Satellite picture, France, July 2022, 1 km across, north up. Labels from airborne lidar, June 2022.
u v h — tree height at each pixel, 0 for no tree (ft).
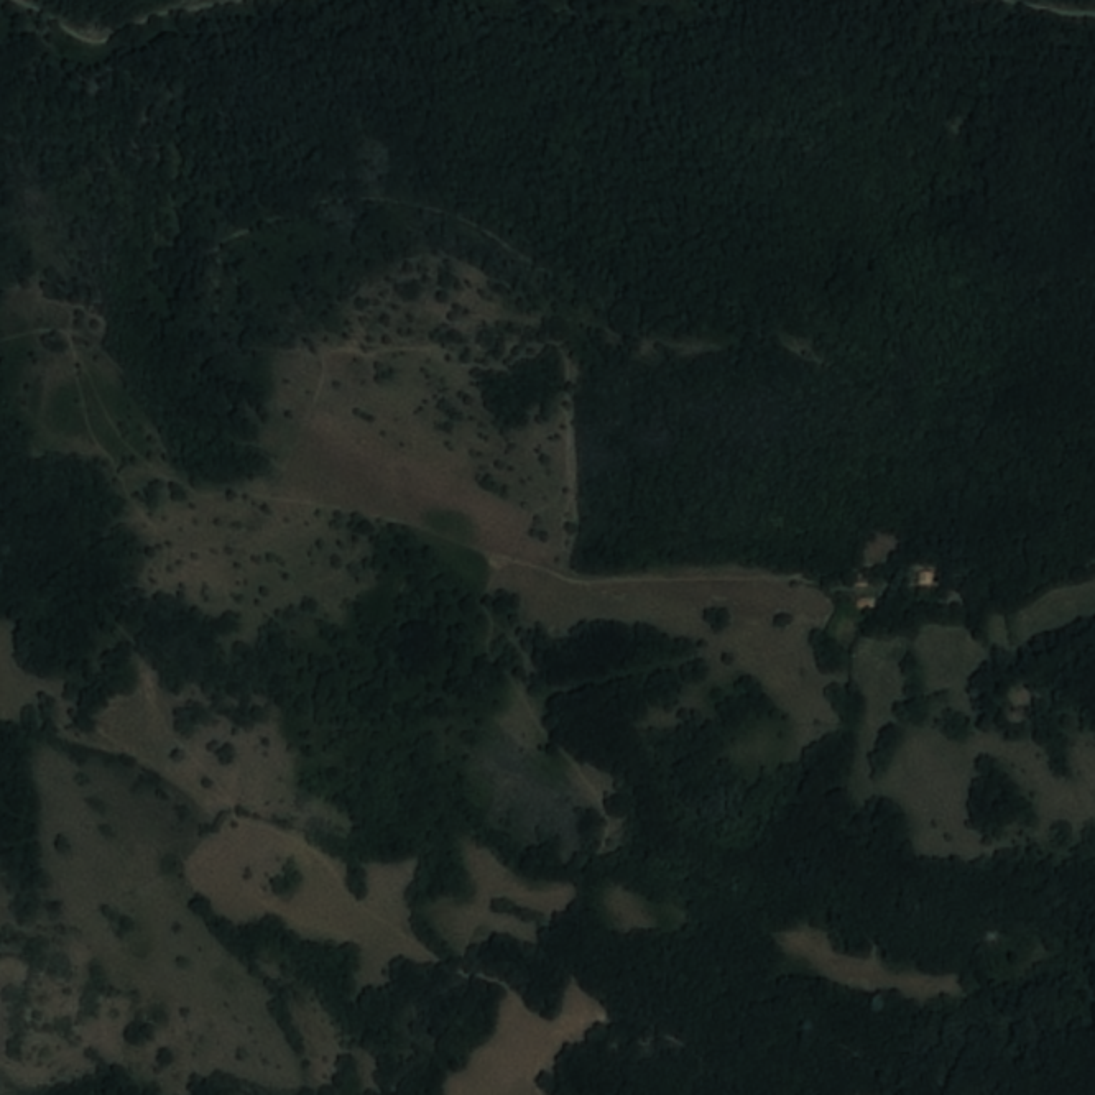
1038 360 32
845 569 49
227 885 0
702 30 46
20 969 0
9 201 29
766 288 35
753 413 24
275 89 39
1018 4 36
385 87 47
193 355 41
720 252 34
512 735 0
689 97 53
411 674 43
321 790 22
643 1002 31
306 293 24
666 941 29
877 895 62
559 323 22
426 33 63
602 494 27
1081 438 47
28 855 25
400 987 37
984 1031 35
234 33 34
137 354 33
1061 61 65
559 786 0
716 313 28
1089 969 34
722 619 45
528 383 33
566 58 47
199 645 31
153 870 0
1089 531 32
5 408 26
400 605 29
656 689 43
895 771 0
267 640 19
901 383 24
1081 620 49
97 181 26
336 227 30
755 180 32
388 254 23
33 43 77
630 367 22
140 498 33
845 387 20
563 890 0
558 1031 0
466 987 27
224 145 45
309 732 24
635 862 42
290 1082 0
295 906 0
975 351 25
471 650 28
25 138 26
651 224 46
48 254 0
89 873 0
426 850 27
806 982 51
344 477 0
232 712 20
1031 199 27
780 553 37
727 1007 50
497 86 37
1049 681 22
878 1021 43
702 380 30
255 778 0
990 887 46
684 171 43
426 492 0
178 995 0
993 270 46
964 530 62
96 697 41
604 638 68
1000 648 61
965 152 29
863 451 20
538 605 0
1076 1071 53
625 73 49
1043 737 50
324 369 0
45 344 23
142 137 35
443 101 49
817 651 28
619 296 27
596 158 40
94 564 33
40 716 18
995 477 37
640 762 48
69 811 0
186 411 28
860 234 71
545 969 37
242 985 0
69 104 29
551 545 0
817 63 39
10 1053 18
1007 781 46
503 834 25
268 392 0
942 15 45
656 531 35
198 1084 36
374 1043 28
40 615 25
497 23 52
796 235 36
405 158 47
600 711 57
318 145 32
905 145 43
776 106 36
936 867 37
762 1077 61
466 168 46
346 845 24
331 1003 47
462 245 22
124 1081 27
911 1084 51
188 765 0
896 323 38
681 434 20
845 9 33
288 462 0
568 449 0
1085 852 23
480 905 0
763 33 57
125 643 21
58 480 21
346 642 32
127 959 0
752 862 58
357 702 28
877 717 0
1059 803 0
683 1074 44
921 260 57
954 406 25
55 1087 25
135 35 35
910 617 60
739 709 42
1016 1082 55
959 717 35
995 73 66
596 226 37
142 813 0
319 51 48
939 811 0
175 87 52
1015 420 31
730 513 29
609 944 51
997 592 67
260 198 44
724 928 62
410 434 0
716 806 51
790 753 0
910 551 45
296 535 0
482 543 0
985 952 29
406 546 35
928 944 46
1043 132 38
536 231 27
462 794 23
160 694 0
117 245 26
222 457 34
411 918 27
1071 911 44
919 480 31
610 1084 40
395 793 23
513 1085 0
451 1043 45
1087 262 45
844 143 24
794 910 63
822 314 29
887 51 52
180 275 36
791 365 20
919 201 69
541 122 50
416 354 0
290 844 0
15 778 19
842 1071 58
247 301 27
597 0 54
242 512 0
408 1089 56
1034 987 52
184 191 40
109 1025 0
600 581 0
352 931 0
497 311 0
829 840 73
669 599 0
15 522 24
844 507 24
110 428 0
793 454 25
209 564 0
